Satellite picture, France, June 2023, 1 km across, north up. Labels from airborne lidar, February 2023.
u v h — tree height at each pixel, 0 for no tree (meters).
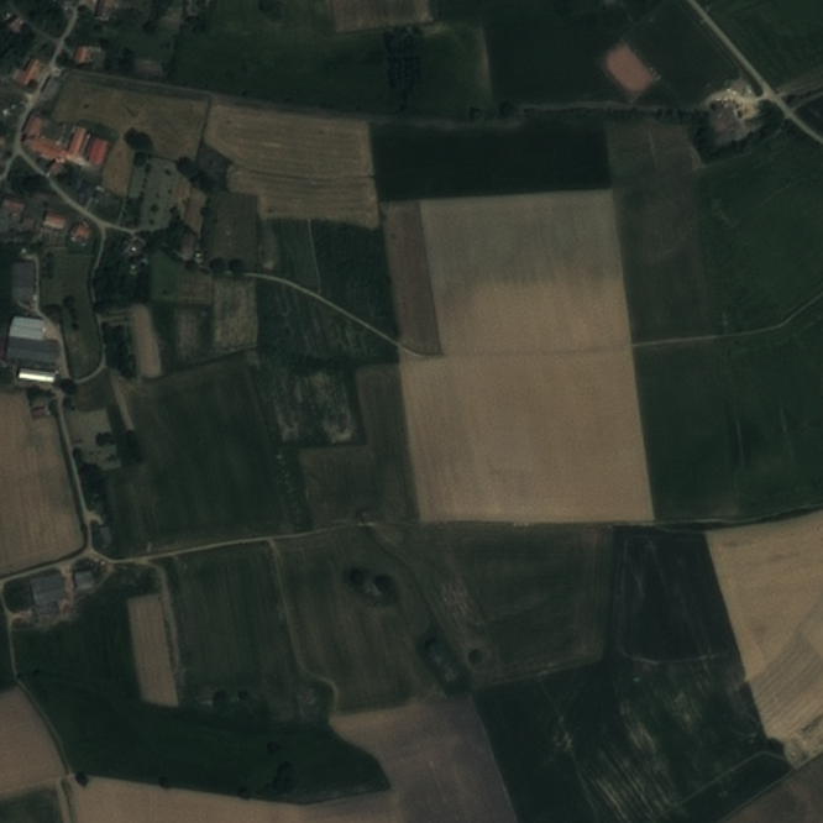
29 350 0
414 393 0
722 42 0
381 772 0
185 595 0
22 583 0
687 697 0
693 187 0
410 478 0
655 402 0
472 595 0
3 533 0
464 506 0
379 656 0
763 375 0
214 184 14
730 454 0
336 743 0
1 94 0
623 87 0
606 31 0
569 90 0
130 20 0
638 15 0
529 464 0
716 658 0
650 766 0
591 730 0
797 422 0
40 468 0
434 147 0
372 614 0
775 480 0
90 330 0
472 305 0
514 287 0
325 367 6
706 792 0
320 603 0
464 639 0
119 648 0
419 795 0
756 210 0
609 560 0
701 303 0
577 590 0
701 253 0
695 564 0
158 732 0
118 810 0
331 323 6
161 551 0
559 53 0
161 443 0
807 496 0
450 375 0
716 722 0
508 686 0
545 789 0
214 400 0
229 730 0
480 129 0
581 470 0
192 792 0
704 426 0
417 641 0
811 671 0
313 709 7
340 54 0
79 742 0
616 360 0
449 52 0
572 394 0
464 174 0
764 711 0
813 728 0
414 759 0
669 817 0
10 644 0
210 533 0
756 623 0
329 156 0
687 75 0
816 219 0
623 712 0
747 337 0
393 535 0
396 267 0
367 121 0
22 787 0
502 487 0
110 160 0
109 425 0
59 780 0
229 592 0
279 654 0
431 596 0
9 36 14
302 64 0
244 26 0
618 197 0
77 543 0
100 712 0
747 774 0
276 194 0
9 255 0
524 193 0
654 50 0
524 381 0
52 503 0
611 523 0
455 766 0
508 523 0
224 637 0
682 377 0
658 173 0
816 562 0
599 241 0
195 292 0
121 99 0
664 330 0
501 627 0
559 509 0
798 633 0
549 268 0
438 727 0
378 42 0
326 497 0
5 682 0
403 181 0
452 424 0
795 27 0
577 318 0
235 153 0
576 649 0
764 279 0
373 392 0
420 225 0
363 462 0
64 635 0
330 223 0
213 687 0
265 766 0
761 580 0
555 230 0
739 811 0
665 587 0
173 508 0
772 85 0
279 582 0
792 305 0
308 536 0
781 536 0
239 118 0
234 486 0
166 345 0
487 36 0
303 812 0
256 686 0
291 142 0
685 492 0
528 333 0
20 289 0
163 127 0
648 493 0
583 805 0
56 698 0
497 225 0
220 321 0
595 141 0
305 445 0
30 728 0
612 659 0
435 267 0
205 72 0
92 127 0
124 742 0
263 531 0
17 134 0
